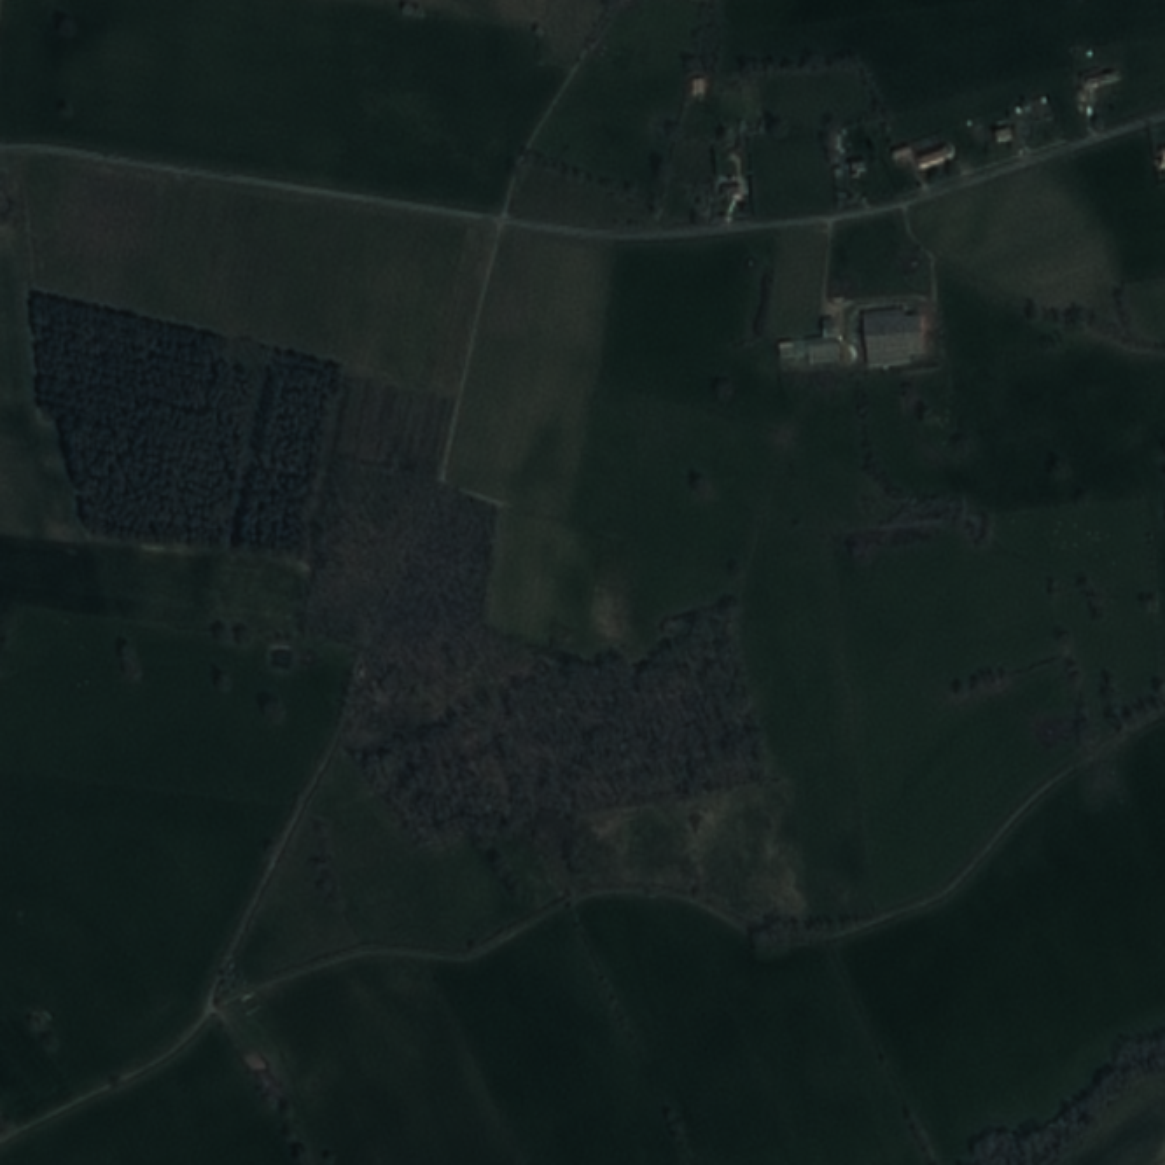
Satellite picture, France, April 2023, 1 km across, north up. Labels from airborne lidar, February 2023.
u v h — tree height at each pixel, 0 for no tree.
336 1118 0
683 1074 0
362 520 12
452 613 21
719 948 0
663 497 0
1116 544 0
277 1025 0
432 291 0
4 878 0
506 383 0
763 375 0
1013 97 0
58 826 0
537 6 0
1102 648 0
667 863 0
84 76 0
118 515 17
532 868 0
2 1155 0
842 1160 0
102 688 0
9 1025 0
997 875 0
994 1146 16
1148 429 0
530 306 0
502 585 0
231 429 20
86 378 14
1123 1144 0
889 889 0
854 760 0
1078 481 0
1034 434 0
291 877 0
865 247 0
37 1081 0
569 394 0
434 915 0
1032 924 0
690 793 23
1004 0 0
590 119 0
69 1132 0
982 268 0
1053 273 0
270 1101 11
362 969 0
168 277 0
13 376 0
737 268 0
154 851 0
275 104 0
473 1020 0
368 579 14
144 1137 0
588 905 0
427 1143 0
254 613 0
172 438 15
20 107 0
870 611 0
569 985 0
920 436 0
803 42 0
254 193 0
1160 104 0
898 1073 0
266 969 0
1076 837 0
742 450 0
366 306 0
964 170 0
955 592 0
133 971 0
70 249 0
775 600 0
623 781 27
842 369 0
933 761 0
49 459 0
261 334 0
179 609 0
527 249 0
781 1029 0
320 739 0
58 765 0
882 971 0
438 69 0
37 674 0
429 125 0
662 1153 0
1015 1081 0
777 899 0
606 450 0
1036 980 0
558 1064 0
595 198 0
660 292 0
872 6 0
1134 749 0
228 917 0
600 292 0
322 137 0
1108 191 0
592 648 0
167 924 0
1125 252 0
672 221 0
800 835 0
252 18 0
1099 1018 0
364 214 0
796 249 0
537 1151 0
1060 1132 11
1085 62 0
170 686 0
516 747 23
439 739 16
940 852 0
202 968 0
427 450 0
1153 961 0
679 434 0
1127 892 0
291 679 0
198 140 0
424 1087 0
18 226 0
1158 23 0
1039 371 0
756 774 16
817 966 0
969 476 0
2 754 0
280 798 0
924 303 0
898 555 0
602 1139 0
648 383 0
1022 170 0
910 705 0
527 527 0
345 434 0
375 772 18
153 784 0
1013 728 0
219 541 20
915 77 0
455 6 0
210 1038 0
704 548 0
